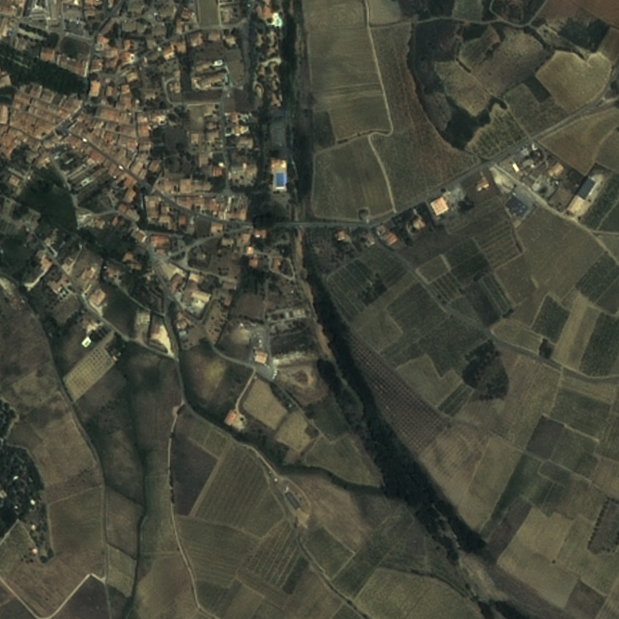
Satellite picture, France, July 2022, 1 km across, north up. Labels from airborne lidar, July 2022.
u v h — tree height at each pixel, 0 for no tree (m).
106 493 0
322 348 0
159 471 0
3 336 0
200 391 0
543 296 0
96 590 0
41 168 7
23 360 0
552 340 0
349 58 0
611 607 0
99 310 0
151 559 0
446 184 0
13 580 0
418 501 20
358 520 0
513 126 0
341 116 0
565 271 0
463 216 0
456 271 0
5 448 8
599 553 0
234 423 0
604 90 0
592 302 0
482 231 0
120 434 0
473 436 0
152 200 0
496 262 0
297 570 0
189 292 0
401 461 15
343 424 0
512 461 0
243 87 0
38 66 11
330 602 0
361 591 0
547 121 0
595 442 0
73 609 0
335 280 0
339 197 0
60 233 7
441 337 0
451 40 0
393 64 0
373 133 0
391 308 0
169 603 0
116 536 0
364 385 17
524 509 0
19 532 0
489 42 0
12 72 17
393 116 0
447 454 0
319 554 0
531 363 0
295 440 0
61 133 7
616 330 0
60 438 0
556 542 0
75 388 0
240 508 0
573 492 0
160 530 0
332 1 0
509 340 0
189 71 7
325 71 0
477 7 0
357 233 7
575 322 0
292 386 0
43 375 0
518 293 0
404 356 0
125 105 0
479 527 0
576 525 0
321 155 0
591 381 0
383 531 0
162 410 0
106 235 0
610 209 0
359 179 0
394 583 0
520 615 15
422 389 0
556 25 0
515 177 0
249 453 0
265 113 7
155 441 0
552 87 0
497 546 0
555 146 0
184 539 0
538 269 0
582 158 0
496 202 0
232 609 0
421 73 0
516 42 0
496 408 0
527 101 0
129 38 8
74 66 0
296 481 0
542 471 0
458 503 0
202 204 0
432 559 0
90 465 0
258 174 7
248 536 0
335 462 0
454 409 0
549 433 0
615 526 0
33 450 0
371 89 0
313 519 0
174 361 0
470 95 0
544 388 0
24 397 0
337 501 0
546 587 0
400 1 0
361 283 0
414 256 0
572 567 0
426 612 0
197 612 0
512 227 0
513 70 0
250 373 0
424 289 0
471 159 0
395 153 0
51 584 0
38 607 0
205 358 0
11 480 11
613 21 0
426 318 0
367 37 0
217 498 0
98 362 0
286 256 6
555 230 0
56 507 0
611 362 0
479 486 0
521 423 0
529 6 8
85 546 0
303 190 8
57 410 0
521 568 0
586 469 0
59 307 0
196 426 0
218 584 0
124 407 0
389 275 0
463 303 0
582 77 0
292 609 0
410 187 0
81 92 14
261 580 0
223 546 0
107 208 0
